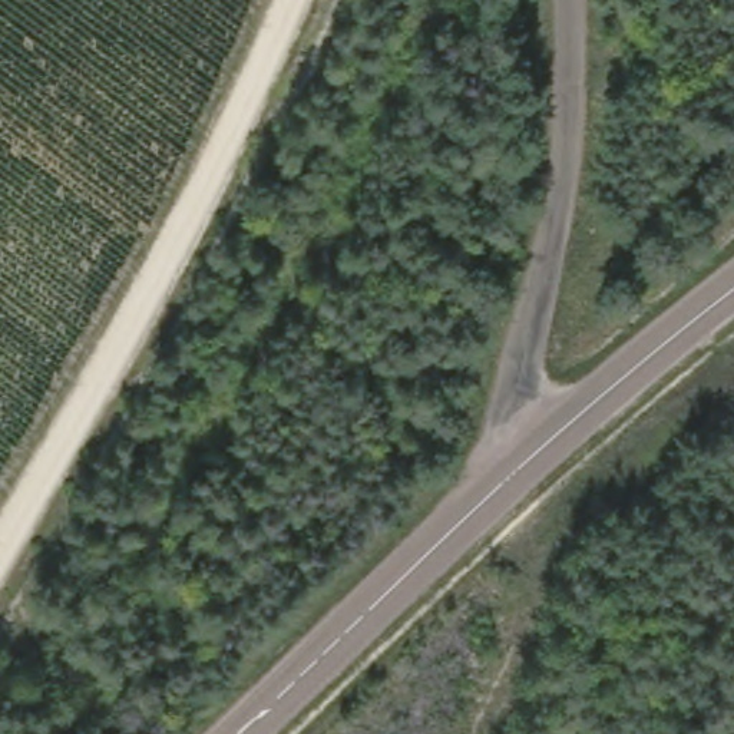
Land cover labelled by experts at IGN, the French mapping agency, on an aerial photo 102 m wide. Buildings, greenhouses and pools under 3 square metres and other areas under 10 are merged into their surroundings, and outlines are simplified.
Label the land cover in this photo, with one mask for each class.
<instances>
[{"label":"coniferous trees","instance_id":"1","mask_svg":"<svg viewBox=\"0 0 734 734\"><path fill-rule=\"evenodd\" d=\"M551 0H341L324 43L304 49V60L290 83V95L284 97L281 109L261 120L255 129H249L244 152L232 166V181L224 189V198L198 249L192 252L189 267L181 272L149 341L132 358L118 396L106 401L92 436L77 450V459L72 462L60 487L52 493L32 539L26 542L6 582L0 585V734H204L333 605H338L367 573H373L396 551V545L433 513V507L462 479L464 459L476 447L485 424L502 338L513 315L519 275L530 264V238L542 224L551 181ZM602 3L605 11L602 29L614 32L622 23L634 40L622 49L619 57L611 60L608 72L605 123L611 152L608 169L599 172V184H605V192L596 201L616 206L619 218L637 227L634 238L625 244V249L634 252L637 270L642 272L648 264L665 270L697 255L705 244H714L720 215L728 212L734 201V0H594ZM542 588L548 602L533 611V628L519 642L522 659L510 674V708H505L490 723V734H734V390L697 393V399L688 407V419L677 433L668 436V442L659 450V459L645 470H634L625 482L588 476L585 490L579 493L571 510V530L562 536L559 545L548 553L542 571ZM485 562L490 565V568H493V571H502V573H519V562H516V559H507V556H505V551L499 548V545H496V551H493V553H490V556H487ZM459 634L467 637L476 657L502 659L493 608L482 602L459 625ZM387 680V668H381L378 662H373L338 697V702L347 720L358 705H367L373 700L376 682Z\"/></svg>","mask_w":734,"mask_h":734},{"label":"vineyard","instance_id":"2","mask_svg":"<svg viewBox=\"0 0 734 734\"><path fill-rule=\"evenodd\" d=\"M272 0H0V510L14 493L37 447L43 444L52 421L66 404L69 393L75 390L86 361L92 358L97 341L106 335L152 244L158 241L166 215L181 198L195 169V161L235 86L238 72L247 63V54L258 37V29Z\"/></svg>","mask_w":734,"mask_h":734},{"label":"impervious surface","instance_id":"3","mask_svg":"<svg viewBox=\"0 0 734 734\"><path fill-rule=\"evenodd\" d=\"M551 181L542 224L530 238V264L519 275L513 315L502 338L485 424L476 447L464 459L462 479L433 507V513L396 545V551L373 573H367L338 605H333L204 734H304L333 702H338V697L373 662H378L381 654L401 642L419 619H424L433 611V605H439L450 591H456V585L470 571H476L485 562L487 556H490V553H493V551H496V545H499L516 536L539 510L536 502H528L522 510H516L525 502L528 490H533L559 462H565L596 430L622 416L671 367L688 358L694 350L714 344V335L734 321V258L725 261L717 272H711L705 281H700L674 307L657 315L645 330H639L628 344H622L614 356H608L596 370L582 376L579 381L559 384L548 376V335L556 313L585 155L588 0H551Z\"/></svg>","mask_w":734,"mask_h":734},{"label":"herbaceous vegetation","instance_id":"4","mask_svg":"<svg viewBox=\"0 0 734 734\"><path fill-rule=\"evenodd\" d=\"M341 0H310L298 34L290 43V52L267 92L261 120L281 109L284 97L290 95V83L304 60V49L324 43ZM605 11L602 3L594 0H588L585 155L556 313L548 335V376L559 384L579 381L582 376L596 370L608 356H614L622 344H628L639 330H645L657 315L674 307L700 281H705L711 272H717L725 261L734 258V201L728 212L720 215L714 244H705L697 255L665 270L648 264L642 272L637 270L634 252L625 249V244L634 238L637 227L619 218L616 206L596 201L605 192V184H599V172L608 169L611 152L605 123L608 72L611 60L619 57L622 49L634 40L622 23L614 32L602 29ZM734 390V321L714 335V344L694 350L688 358L671 367L622 416L596 430L565 462H559L533 490H528L525 502L516 510H522L528 502H536L539 510L562 536L571 530V510L579 493L585 490L588 476L625 482L634 470H645L659 459V450L668 442V436L677 433L688 419V407L697 399V393Z\"/></svg>","mask_w":734,"mask_h":734},{"label":"pervious surface","instance_id":"5","mask_svg":"<svg viewBox=\"0 0 734 734\"><path fill-rule=\"evenodd\" d=\"M310 0H272L258 29V37L247 54V63L238 72L235 86L195 161V169L181 198L166 215L158 241L152 244L106 335L97 341L92 358L86 361L75 390L69 393L66 404L52 421L43 444L37 447L14 493L0 510V585L6 582L26 542L32 539L52 493L60 487L72 462L77 459V450L92 436L106 401L118 396L132 358L149 341L181 272L189 267L192 252L198 249L224 198V189L232 181V166L244 152L249 129H255L261 120L267 92L290 52V43L298 34Z\"/></svg>","mask_w":734,"mask_h":734},{"label":"deciduous trees","instance_id":"6","mask_svg":"<svg viewBox=\"0 0 734 734\"><path fill-rule=\"evenodd\" d=\"M562 536L539 510L516 536L499 545V548L505 551V556H507V559H516V562H519V573H502V571H493V568H490V565L485 562L476 571H470L456 585V591H450L439 605H433V611L424 619H419L401 642L381 654L378 662L381 668H387V680L376 682L373 700L367 705H358L347 720L338 702H333L304 734H490V723L505 708H510V674L522 659L519 642L533 628V611L548 602L542 588V571L548 553L559 545ZM482 602L493 608L502 659L476 657L467 637L459 634V625Z\"/></svg>","mask_w":734,"mask_h":734}]
</instances>
